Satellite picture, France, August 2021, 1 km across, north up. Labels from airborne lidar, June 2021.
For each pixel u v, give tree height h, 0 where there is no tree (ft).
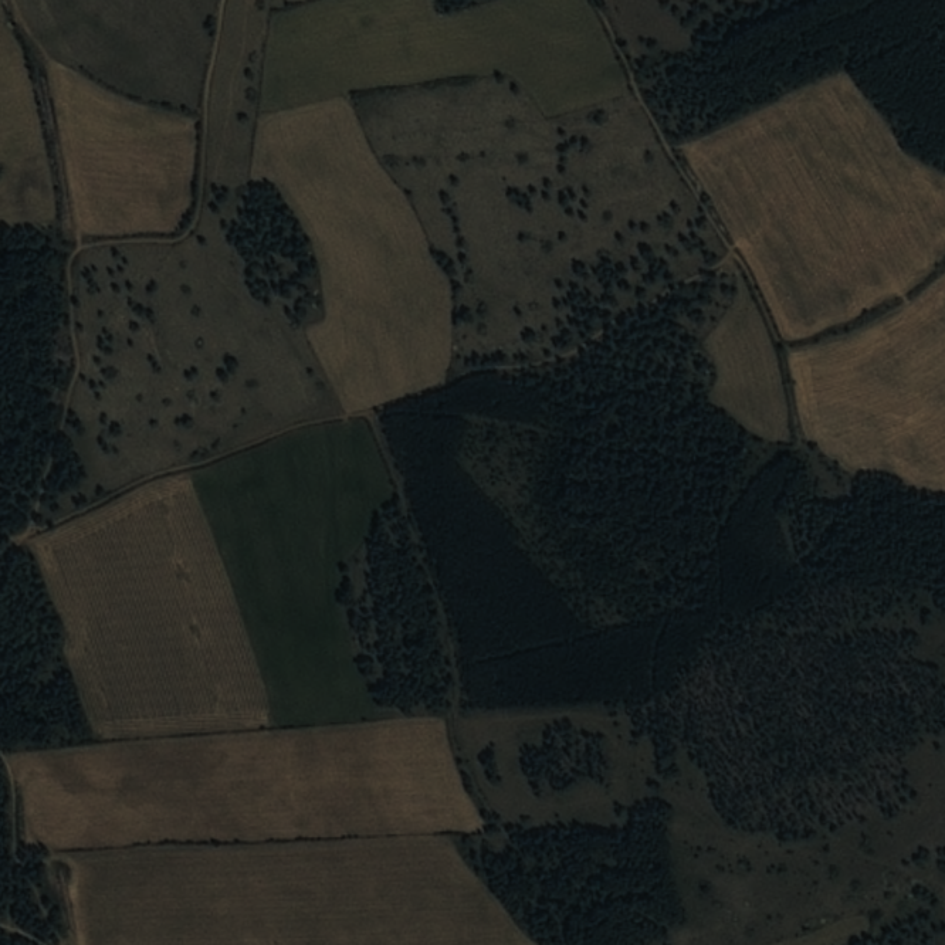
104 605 0
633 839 56
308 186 0
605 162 0
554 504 23
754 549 33
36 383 46
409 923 0
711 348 0
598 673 34
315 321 0
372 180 0
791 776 54
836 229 0
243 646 0
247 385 0
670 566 17
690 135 34
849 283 0
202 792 0
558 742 50
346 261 0
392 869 0
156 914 0
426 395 31
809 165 0
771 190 0
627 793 0
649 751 0
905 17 44
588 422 51
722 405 0
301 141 0
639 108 0
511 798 0
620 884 54
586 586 22
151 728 0
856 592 45
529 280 0
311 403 0
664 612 22
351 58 0
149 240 0
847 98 0
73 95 0
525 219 0
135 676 0
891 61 49
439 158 0
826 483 0
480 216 0
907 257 0
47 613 36
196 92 0
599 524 59
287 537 0
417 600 64
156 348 0
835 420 0
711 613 36
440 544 27
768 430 0
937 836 0
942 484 0
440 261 33
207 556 0
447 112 0
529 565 38
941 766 0
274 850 0
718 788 34
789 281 0
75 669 0
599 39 0
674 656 41
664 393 44
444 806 0
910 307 0
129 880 0
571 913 49
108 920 0
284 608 0
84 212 0
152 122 0
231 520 0
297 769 0
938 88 46
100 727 0
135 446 0
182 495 0
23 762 0
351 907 0
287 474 0
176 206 0
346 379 0
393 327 0
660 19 0
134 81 0
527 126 0
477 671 34
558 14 0
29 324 27
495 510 32
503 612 34
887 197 0
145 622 0
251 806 0
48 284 46
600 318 46
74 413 31
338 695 0
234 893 0
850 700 51
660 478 66
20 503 50
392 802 0
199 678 0
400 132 0
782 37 38
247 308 0
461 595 36
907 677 55
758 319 0
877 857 0
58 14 0
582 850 64
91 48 0
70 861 0
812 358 0
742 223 0
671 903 57
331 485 0
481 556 32
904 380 0
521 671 32
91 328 0
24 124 0
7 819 57
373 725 0
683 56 21
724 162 0
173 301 0
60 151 0
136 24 0
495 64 0
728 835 0
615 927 49
